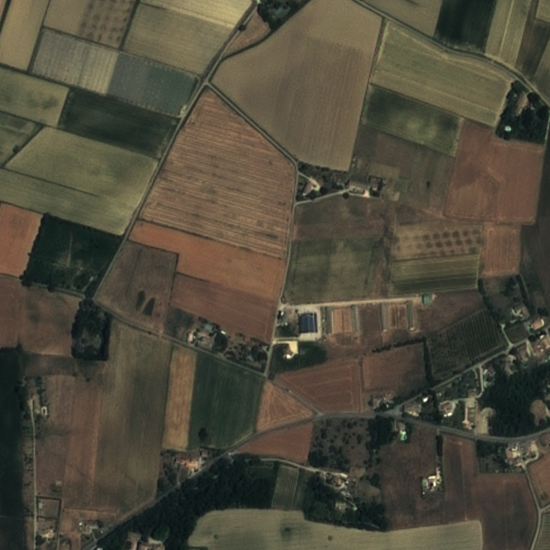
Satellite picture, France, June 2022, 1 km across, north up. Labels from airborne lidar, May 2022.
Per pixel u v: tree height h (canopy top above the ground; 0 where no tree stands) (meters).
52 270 7
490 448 11
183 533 16
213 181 0
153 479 0
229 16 0
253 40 0
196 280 0
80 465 0
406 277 0
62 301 0
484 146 0
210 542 0
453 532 0
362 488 0
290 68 0
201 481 21
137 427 0
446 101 0
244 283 0
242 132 0
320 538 0
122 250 0
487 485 0
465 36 0
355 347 0
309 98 0
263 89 0
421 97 0
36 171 0
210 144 0
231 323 0
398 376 0
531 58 0
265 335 0
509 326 11
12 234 0
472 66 0
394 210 0
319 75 0
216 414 0
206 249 0
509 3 0
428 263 0
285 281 0
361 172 0
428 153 0
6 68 0
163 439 0
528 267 0
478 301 0
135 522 12
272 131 0
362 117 0
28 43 0
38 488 0
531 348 0
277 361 0
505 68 0
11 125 0
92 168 0
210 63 0
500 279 0
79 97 0
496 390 13
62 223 17
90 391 0
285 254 0
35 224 0
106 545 18
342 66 0
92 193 0
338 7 0
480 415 0
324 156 0
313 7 0
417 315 0
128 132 0
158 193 0
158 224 0
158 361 0
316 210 0
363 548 0
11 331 0
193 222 0
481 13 0
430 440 0
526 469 0
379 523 20
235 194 0
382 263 0
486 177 0
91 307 17
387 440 14
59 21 0
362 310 0
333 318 0
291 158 0
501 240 0
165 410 0
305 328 0
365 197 0
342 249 0
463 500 0
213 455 7
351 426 9
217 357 0
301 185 5
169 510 20
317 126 0
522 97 0
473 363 9
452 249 0
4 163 0
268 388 0
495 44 0
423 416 8
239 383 0
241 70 0
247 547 0
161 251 0
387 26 0
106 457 0
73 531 0
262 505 15
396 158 0
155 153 0
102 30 0
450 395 8
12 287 0
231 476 19
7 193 0
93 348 9
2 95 0
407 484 0
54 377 0
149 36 0
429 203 0
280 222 0
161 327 0
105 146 0
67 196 0
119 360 0
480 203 0
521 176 0
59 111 0
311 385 0
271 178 0
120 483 0
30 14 0
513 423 9
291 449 0
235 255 0
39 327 0
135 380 0
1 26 0
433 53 0
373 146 0
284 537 0
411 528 0
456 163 0
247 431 0
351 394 0
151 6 0
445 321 0
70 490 0
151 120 0
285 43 0
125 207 0
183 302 0
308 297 0
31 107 0
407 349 0
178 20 0
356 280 0
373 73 0
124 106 0
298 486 0
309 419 0
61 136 0
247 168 0
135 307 0
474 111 0
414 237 0
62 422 0
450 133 0
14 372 0
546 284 0
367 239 0
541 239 0
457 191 0
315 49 0
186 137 0
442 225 0
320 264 0
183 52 0
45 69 0
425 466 0
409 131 0
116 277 0
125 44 0
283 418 0
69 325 0
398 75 0
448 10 0
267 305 0
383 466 0
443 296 0
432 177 0
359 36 0
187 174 0
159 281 0
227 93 0
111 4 0
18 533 0
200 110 0
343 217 0
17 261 0
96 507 0
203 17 0
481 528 0
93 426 0
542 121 9
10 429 0
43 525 0
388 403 7
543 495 0
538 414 0
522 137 9
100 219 0
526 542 0
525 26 0
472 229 0
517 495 0
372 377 0
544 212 0
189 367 0
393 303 0
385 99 0
